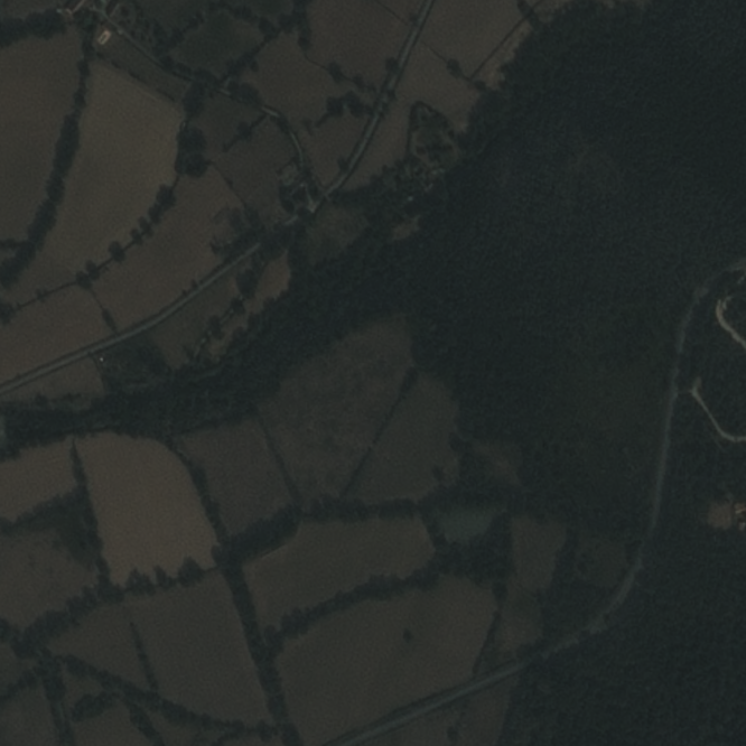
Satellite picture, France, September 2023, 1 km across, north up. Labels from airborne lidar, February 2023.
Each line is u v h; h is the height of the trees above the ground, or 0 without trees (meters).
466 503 14
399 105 0
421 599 0
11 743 0
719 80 24
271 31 10
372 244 11
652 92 22
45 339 0
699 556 17
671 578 21
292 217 0
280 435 0
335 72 16
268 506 0
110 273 0
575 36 18
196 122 0
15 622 0
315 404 0
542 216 18
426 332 17
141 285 0
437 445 0
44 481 0
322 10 0
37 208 0
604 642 15
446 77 0
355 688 0
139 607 0
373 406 0
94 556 0
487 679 0
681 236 24
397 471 0
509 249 21
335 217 0
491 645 9
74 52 0
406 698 0
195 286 8
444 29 0
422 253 19
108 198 0
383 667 0
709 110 25
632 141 20
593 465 0
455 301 17
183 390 17
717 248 26
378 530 0
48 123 0
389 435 0
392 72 12
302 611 0
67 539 0
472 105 0
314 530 0
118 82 0
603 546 0
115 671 0
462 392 18
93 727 0
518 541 0
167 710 14
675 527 20
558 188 22
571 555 12
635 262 21
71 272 0
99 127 0
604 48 23
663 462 0
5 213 0
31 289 0
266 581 0
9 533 11
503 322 21
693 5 26
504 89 15
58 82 0
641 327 15
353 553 0
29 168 0
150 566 0
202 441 0
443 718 0
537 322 17
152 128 0
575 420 0
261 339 16
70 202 0
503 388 24
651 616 21
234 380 18
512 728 15
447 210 22
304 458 0
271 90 0
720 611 19
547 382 18
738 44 22
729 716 13
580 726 16
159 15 0
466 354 20
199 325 0
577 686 21
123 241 0
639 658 16
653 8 11
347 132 0
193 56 0
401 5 0
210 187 0
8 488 0
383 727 0
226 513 0
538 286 21
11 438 12
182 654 0
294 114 0
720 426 8
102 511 0
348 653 0
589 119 19
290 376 0
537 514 24
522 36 0
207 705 0
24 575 0
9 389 0
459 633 0
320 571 0
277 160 0
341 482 0
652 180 13
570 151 13
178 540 0
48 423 16
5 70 0
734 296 9
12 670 0
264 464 0
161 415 12
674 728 20
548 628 15
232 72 16
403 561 0
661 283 21
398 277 23
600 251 21
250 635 12
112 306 0
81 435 11
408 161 6
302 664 0
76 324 0
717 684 18
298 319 19
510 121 16
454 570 21
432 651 0
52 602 0
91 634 0
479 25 0
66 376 0
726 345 10
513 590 0
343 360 0
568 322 22
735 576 18
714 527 0
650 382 0
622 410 0
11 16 0
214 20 0
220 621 0
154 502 0
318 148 0
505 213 15
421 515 15
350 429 0
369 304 30
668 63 26
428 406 0
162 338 0
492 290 19
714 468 11
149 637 0
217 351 0
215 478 0
